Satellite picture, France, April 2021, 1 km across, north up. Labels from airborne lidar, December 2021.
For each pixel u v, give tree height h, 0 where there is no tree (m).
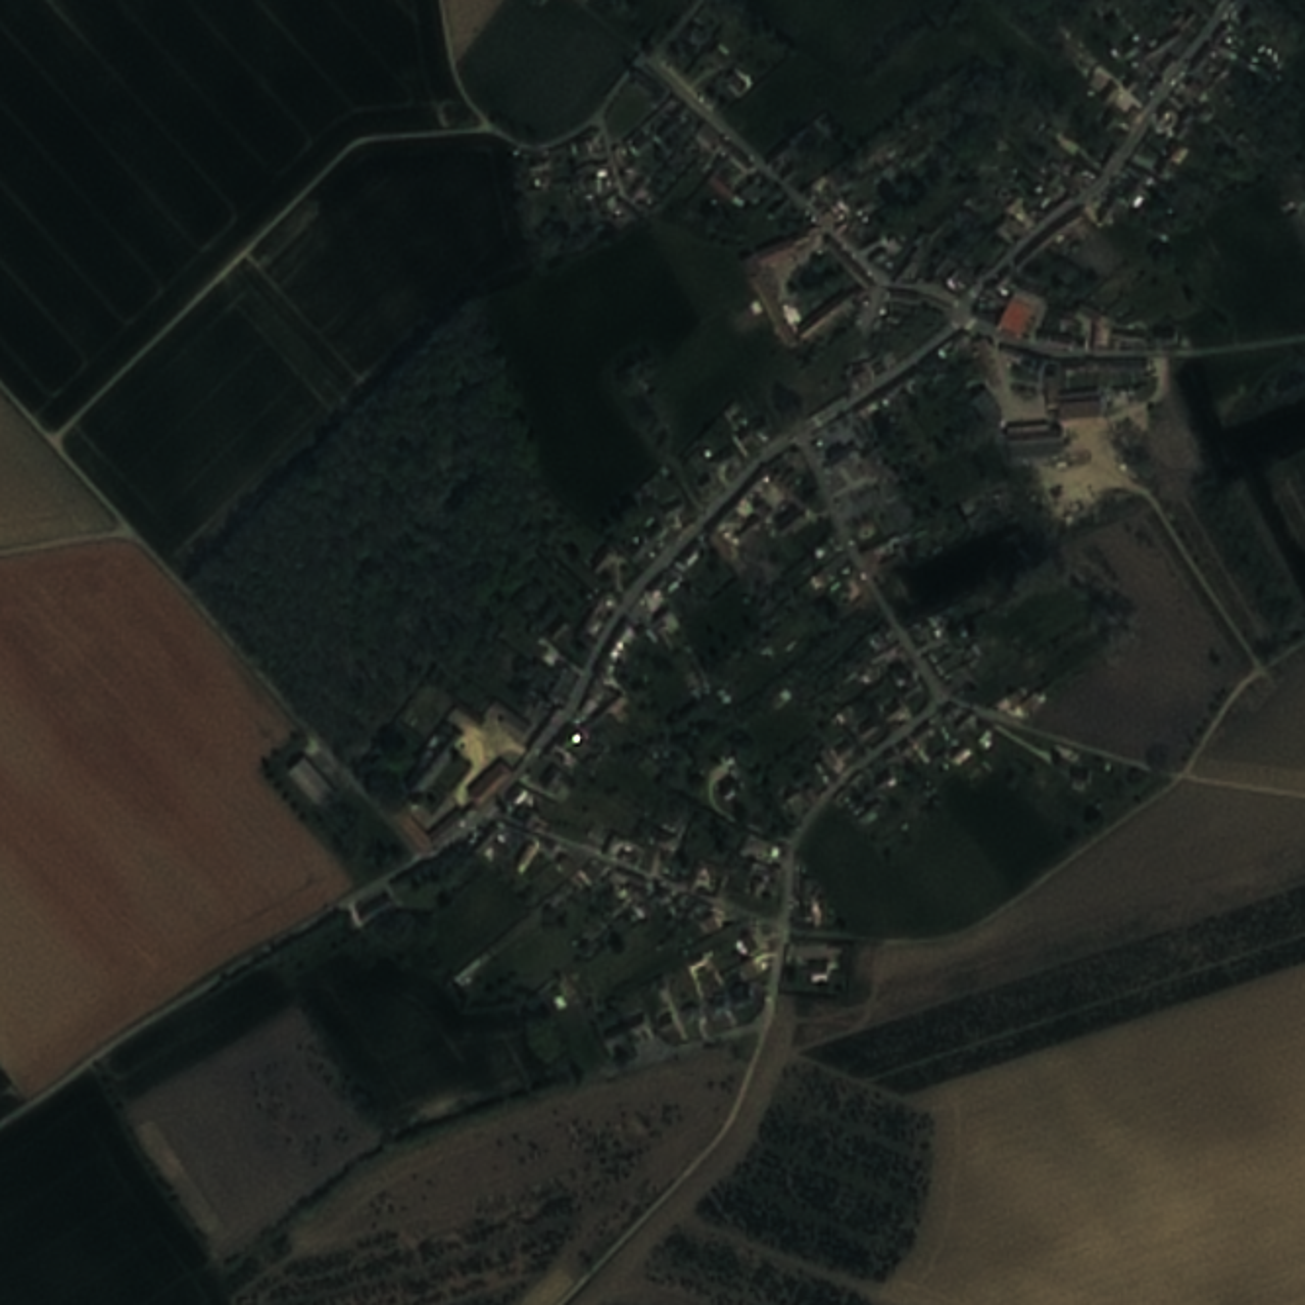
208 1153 0
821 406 0
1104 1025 0
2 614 0
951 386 8
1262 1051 0
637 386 12
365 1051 0
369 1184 0
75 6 0
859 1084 0
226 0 0
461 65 0
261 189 0
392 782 13
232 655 0
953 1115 0
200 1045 0
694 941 0
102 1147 0
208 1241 6
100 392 0
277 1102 0
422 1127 9
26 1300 0
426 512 21
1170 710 0
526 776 0
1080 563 0
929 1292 0
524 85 0
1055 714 0
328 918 6
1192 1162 0
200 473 0
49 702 0
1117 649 27
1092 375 0
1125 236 0
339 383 0
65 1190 0
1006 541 0
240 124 0
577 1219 0
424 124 0
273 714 0
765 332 0
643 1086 0
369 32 0
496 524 26
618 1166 0
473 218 0
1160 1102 0
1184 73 0
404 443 24
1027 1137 0
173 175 0
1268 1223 0
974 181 6
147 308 0
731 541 0
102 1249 0
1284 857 0
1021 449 0
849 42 0
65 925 0
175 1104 0
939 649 0
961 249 9
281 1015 0
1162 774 14
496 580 25
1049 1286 0
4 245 0
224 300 0
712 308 0
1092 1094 0
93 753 0
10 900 0
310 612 28
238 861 0
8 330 0
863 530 9
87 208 0
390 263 0
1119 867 0
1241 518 13
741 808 11
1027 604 0
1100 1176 0
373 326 0
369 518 28
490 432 26
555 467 0
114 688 0
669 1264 0
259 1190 0
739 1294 0
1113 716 0
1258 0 15
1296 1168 0
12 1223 0
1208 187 20
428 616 22
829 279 11
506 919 0
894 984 0
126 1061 0
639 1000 0
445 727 7
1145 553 0
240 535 22
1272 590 14
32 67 0
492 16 0
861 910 0
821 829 0
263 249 0
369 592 31
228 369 0
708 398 0
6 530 0
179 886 0
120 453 0
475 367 23
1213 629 0
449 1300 0
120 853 0
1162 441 0
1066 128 0
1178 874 0
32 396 0
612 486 0
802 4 0
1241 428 0
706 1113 0
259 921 0
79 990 0
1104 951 0
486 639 18
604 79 0
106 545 0
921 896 0
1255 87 15
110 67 0
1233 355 0
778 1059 0
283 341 0
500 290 0
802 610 9
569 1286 0
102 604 0
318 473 24
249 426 0
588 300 0
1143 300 0
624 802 0
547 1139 0
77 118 0
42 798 0
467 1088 0
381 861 13
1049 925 0
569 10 0
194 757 0
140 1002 0
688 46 10
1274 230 0
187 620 0
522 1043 0
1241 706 0
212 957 0
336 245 0
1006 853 0
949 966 0
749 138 0
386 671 11
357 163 0
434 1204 0
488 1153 0
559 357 0
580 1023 0
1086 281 11
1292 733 0
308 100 0
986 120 16
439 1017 0
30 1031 0
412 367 20
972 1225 0
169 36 0
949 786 0
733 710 10
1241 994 0
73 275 0
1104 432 0
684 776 11
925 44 0
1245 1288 0
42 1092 0
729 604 0
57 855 0
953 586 0
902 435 8
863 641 9
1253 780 0
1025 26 17
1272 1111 0
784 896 0
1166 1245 0
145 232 0
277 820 0
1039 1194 0
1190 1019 0
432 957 6
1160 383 0
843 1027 0
